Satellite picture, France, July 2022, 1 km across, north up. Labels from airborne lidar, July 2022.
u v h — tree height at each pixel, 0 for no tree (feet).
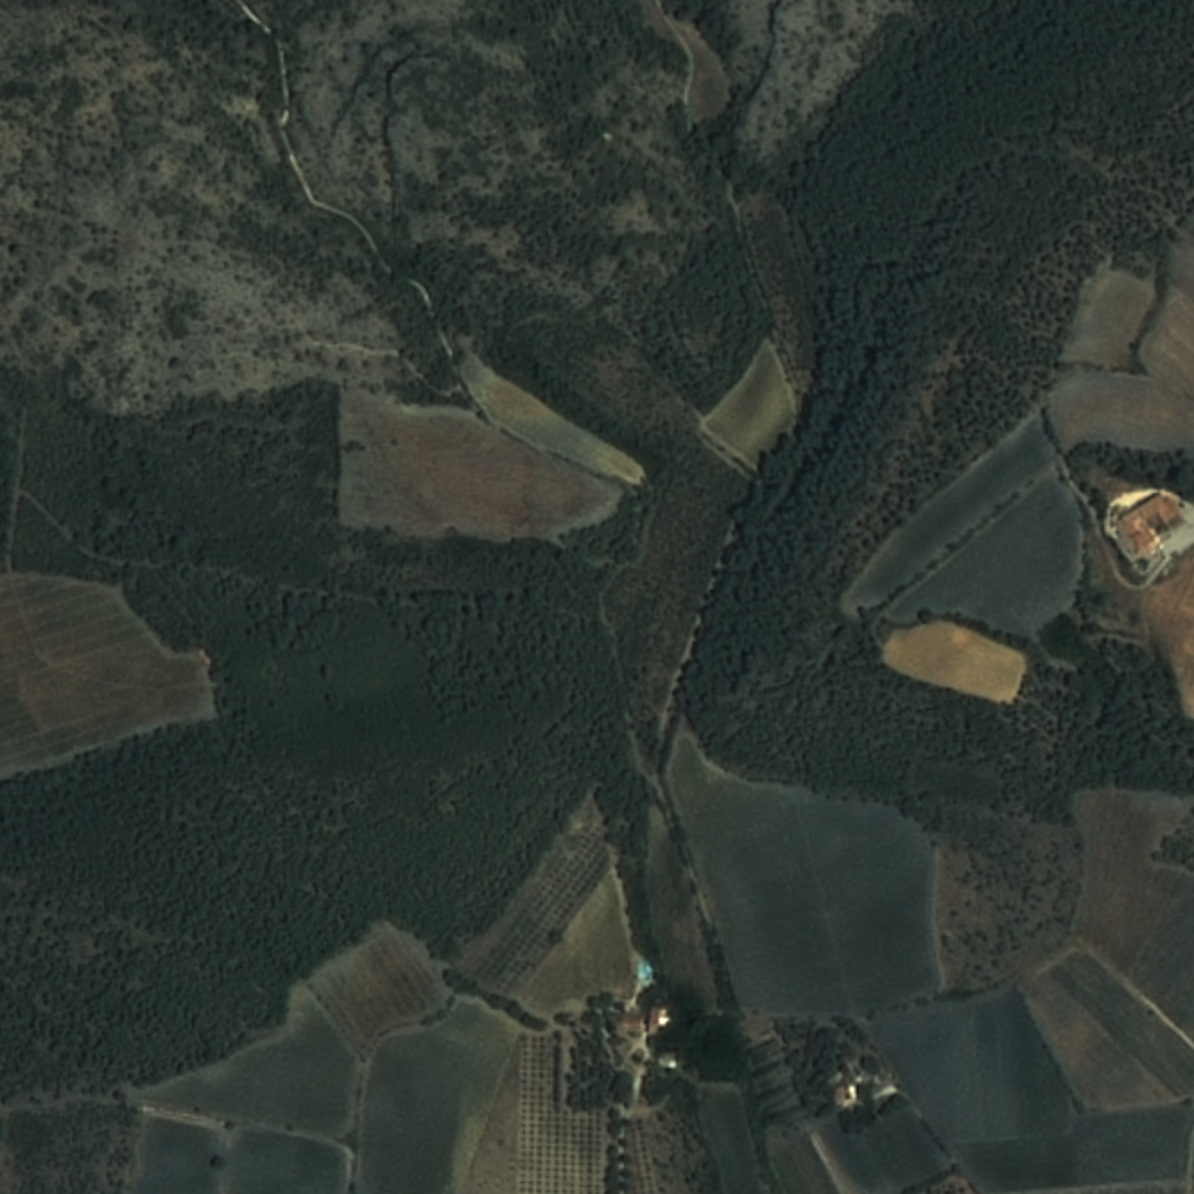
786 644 29
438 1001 0
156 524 43
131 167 0
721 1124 0
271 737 23
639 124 30
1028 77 43
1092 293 0
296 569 26
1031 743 35
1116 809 0
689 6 51
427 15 0
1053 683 31
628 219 0
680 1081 22
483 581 20
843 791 35
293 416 40
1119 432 0
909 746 41
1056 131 22
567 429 0
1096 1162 0
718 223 29
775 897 0
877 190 39
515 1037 0
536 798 34
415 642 34
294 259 29
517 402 0
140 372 0
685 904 0
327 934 38
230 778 28
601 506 0
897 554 0
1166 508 0
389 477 0
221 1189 0
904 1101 41
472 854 33
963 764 25
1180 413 0
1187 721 29
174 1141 0
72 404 23
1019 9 46
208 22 40
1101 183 34
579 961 0
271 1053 0
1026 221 40
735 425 0
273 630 46
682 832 27
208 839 34
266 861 35
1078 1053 0
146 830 34
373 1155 0
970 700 26
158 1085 37
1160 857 26
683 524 18
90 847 28
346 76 0
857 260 50
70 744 0
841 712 31
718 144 60
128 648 0
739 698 24
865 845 0
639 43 40
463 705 34
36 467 30
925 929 0
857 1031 37
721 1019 19
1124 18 47
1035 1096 0
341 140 0
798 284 21
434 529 0
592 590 22
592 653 48
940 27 47
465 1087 0
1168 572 0
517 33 43
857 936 0
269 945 47
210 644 24
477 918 35
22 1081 22
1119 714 52
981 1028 0
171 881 41
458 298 31
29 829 27
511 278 32
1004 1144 0
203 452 20
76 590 0
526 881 45
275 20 18
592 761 40
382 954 0
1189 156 36
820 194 36
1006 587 0
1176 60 30
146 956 31
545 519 0
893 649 0
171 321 21
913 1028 0
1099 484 0
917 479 49
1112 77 24
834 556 20
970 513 0
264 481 40
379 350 0
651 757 24
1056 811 39
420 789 18
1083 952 0
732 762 39
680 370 31
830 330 39
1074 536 0
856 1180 0
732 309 51
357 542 29
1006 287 41
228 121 19
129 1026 34
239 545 33
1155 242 45
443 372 33
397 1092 0
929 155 47
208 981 31
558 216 32
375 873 38
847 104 54
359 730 22
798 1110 20
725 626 51
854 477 33
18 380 18
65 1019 27
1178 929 0
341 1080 0
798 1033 33
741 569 52
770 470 61
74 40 22
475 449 0
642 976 0
